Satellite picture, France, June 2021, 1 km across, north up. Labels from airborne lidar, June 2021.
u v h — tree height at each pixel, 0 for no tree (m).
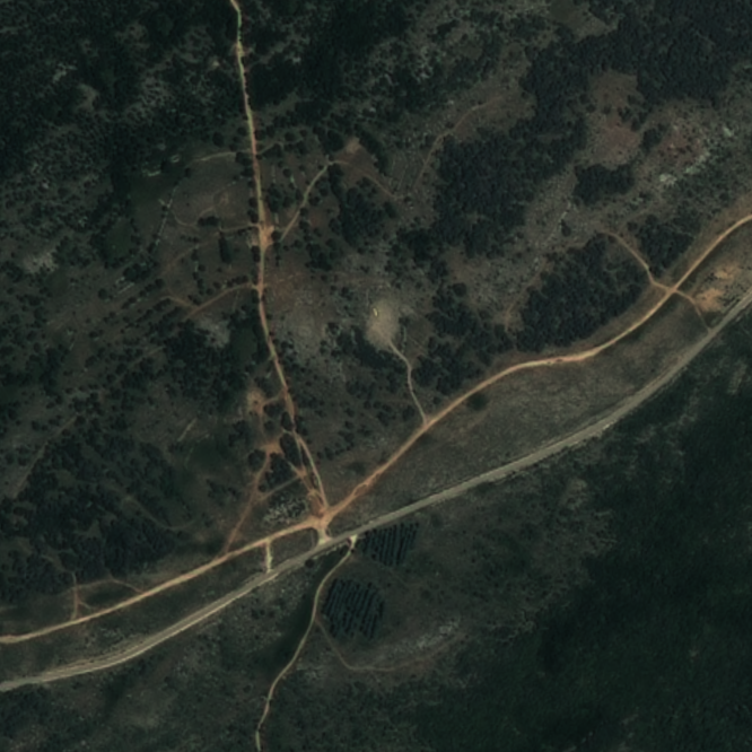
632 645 6
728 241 0
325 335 0
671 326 0
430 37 6
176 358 9
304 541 0
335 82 9
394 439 0
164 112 6
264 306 0
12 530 7
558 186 0
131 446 8
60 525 9
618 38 9
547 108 9
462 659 10
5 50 7
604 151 0
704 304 0
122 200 11
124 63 12
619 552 9
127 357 7
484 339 9
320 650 0
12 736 6
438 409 0
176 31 8
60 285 0
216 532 0
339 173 8
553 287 7
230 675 0
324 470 0
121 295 0
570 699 8
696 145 0
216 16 7
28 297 8
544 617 8
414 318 0
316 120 8
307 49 7
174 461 0
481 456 0
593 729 10
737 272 0
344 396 0
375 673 0
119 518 8
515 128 7
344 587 11
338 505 0
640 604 11
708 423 7
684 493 6
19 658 0
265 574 0
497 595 0
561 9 0
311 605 0
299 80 9
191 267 0
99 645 0
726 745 11
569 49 10
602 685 7
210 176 0
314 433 0
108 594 0
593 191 6
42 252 0
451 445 0
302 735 6
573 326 8
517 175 6
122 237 0
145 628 0
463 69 5
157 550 10
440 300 7
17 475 0
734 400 7
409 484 0
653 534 9
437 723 6
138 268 10
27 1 8
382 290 0
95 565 14
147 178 0
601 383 0
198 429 0
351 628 11
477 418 0
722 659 7
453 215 6
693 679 6
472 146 9
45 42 6
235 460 0
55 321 0
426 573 0
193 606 0
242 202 0
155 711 0
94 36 6
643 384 0
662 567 10
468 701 7
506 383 0
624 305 8
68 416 0
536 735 10
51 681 0
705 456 10
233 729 7
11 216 0
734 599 9
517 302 0
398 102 7
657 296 0
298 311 0
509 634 11
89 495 9
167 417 0
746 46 9
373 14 9
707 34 11
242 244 0
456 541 0
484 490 0
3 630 0
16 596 9
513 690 9
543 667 6
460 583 0
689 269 0
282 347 6
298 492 0
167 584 0
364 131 7
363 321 0
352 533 0
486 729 8
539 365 0
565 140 9
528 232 0
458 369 9
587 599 9
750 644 10
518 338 6
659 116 0
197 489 0
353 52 6
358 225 6
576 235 0
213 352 6
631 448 7
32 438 0
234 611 0
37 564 11
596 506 6
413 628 0
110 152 9
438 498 0
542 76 12
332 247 7
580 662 7
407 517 0
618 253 0
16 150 11
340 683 0
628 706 7
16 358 7
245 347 0
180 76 7
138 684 0
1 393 0
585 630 9
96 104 9
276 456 8
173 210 0
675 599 9
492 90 0
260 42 8
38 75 6
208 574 0
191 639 0
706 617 13
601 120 0
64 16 7
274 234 9
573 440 0
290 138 11
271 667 0
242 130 10
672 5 11
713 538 8
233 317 9
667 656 6
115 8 8
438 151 6
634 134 0
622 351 0
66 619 0
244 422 8
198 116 10
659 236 8
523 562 7
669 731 9
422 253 7
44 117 7
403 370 7
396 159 0
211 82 7
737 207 0
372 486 0
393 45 6
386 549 8
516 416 0
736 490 6
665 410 7
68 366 0
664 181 0
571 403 0
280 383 0
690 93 10
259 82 9
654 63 6
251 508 0
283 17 6
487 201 10
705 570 10
